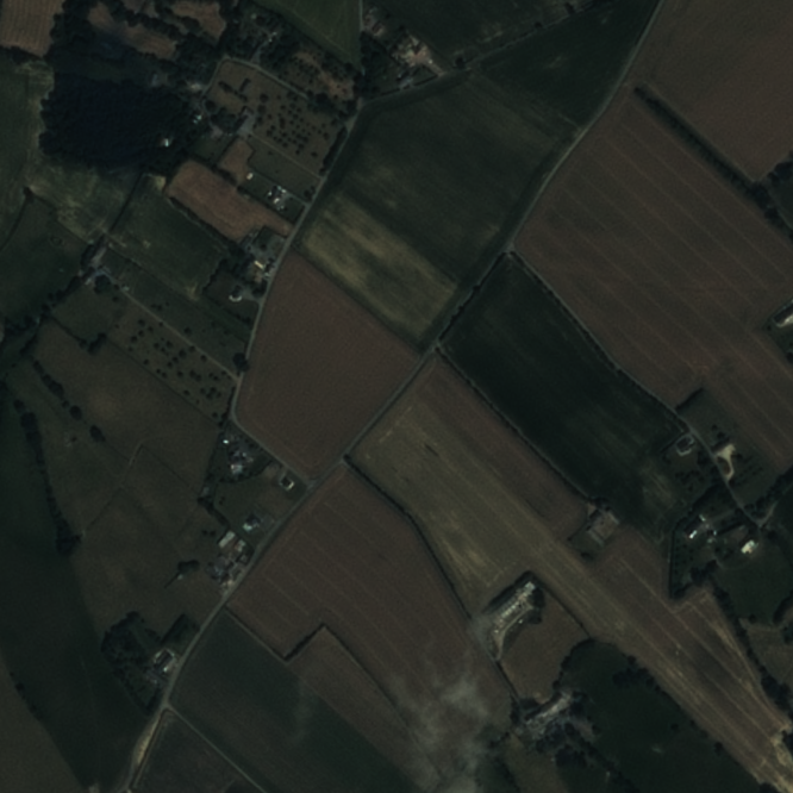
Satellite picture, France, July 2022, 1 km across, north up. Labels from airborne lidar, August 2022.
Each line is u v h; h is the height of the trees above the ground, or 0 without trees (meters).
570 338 0
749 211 0
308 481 0
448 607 0
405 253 0
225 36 11
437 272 0
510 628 0
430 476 0
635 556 0
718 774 0
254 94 0
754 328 0
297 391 0
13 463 0
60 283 0
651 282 0
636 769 0
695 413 0
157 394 0
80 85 14
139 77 0
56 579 0
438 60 0
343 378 0
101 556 0
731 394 0
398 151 0
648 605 0
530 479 0
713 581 6
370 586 0
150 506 0
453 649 0
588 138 0
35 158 0
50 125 14
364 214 0
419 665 0
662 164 0
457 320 9
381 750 0
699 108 0
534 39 0
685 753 0
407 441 0
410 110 0
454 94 0
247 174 0
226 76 0
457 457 0
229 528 8
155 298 0
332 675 0
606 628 0
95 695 0
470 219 0
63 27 7
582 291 0
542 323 0
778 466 0
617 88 0
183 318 0
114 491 0
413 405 0
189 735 0
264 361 0
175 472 0
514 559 0
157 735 0
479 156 0
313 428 0
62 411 0
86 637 0
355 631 0
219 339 0
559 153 0
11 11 0
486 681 0
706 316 0
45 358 0
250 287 8
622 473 0
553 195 0
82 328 0
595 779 0
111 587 0
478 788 11
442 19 0
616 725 0
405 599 0
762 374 0
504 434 0
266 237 0
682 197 0
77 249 0
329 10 0
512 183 0
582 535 0
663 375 0
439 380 0
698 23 0
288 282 0
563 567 0
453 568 0
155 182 0
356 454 0
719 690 0
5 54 13
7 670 0
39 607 0
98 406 0
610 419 0
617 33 0
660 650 0
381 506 0
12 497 0
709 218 0
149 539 0
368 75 9
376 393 0
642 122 0
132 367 0
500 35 0
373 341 0
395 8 0
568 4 0
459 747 0
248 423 0
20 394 0
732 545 0
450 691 0
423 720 0
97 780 0
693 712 0
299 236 0
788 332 0
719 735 0
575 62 0
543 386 0
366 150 0
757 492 0
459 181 0
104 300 0
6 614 0
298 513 0
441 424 0
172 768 0
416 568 0
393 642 0
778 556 0
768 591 0
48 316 12
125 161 15
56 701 0
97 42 8
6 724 0
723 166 9
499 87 0
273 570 0
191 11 0
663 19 0
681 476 6
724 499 9
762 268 0
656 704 0
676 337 0
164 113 15
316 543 0
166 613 0
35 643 0
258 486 0
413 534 0
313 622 0
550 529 0
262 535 0
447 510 0
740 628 8
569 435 0
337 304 0
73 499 0
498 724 0
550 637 0
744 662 0
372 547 0
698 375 0
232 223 0
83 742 0
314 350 0
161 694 9
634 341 0
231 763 0
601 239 0
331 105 18
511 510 0
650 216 0
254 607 0
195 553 0
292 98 7
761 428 0
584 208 0
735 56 0
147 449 0
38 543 0
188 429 0
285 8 0
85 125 22
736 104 0
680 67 0
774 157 0
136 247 0
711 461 8
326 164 11
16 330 12
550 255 0
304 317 0
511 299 0
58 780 0
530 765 0
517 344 0
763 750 0
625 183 0
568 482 8
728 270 0
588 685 0
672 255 0
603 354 9
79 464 0
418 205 0
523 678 0
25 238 0
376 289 0
